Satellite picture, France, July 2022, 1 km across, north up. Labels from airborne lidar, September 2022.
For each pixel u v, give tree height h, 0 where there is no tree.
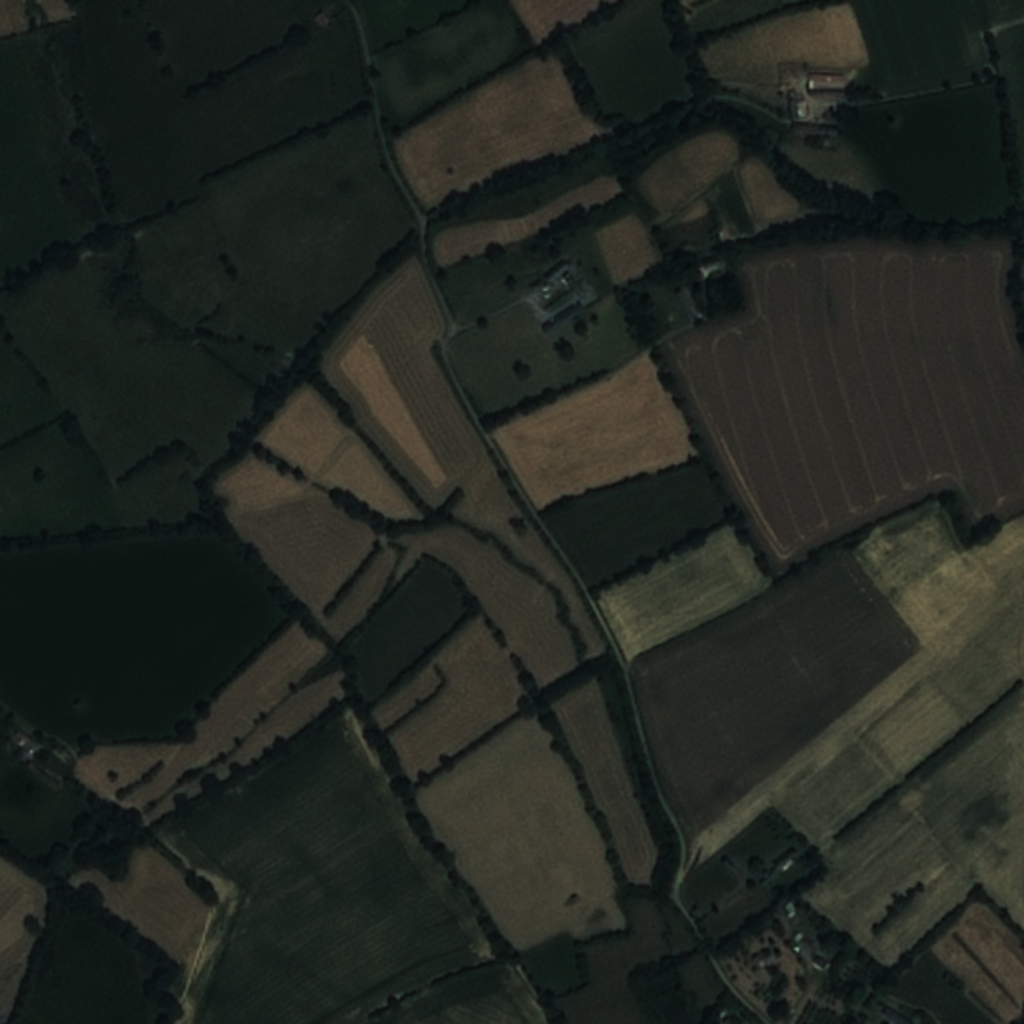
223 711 0
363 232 0
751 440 0
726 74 0
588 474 0
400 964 0
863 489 0
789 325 0
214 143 0
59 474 0
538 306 0
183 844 0
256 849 0
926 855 0
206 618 0
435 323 0
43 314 0
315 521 0
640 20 0
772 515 0
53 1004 0
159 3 0
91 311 0
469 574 0
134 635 0
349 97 0
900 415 0
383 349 0
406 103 0
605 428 0
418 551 0
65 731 0
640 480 8
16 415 0
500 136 0
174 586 0
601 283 0
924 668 0
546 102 0
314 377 12
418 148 0
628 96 0
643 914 0
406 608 0
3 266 0
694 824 0
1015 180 17
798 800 0
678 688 0
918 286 0
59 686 0
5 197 0
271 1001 0
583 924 0
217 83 15
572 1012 0
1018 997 0
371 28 0
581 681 10
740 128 14
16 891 0
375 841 0
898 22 0
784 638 0
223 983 0
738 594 0
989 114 0
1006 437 0
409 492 9
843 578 0
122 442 0
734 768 0
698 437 8
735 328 0
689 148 0
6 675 0
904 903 15
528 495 0
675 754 0
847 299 0
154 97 0
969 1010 0
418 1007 0
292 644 0
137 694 0
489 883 0
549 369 0
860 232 20
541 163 12
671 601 0
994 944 0
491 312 0
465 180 0
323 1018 0
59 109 0
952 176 0
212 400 0
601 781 0
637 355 0
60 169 0
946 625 0
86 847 10
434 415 0
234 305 0
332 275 0
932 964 0
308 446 0
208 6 0
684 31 12
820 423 0
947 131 0
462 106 0
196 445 0
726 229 0
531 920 0
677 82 0
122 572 0
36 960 12
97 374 0
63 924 0
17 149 0
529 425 0
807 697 0
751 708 0
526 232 0
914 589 0
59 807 0
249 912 0
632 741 7
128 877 0
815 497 0
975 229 9
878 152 0
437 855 15
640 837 0
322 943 0
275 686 0
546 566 0
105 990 0
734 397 0
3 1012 0
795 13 7
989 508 0
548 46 14
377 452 7
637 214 0
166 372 0
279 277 0
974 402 0
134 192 0
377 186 0
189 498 0
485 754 0
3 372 0
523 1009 0
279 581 6
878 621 0
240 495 0
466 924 0
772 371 0
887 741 0
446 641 7
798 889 12
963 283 0
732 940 13
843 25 0
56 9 0
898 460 0
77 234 0
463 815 0
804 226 14
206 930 0
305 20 0
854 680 0
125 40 0
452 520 12
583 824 0
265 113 0
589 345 0
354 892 0
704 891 0
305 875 0
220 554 0
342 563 0
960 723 0
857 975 6
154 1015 0
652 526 0
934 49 0
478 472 0
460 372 0
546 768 0
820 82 0
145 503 0
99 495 0
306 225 0
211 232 0
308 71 0
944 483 0
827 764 0
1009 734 0
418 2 0
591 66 0
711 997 0
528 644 0
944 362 0
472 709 0
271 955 0
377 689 0
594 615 6
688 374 0
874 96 6
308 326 0
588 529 0
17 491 0
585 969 8
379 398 0
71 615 0
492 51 0
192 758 0
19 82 0
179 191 0
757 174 0
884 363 0
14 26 0
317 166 0
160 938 0
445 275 13
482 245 0
